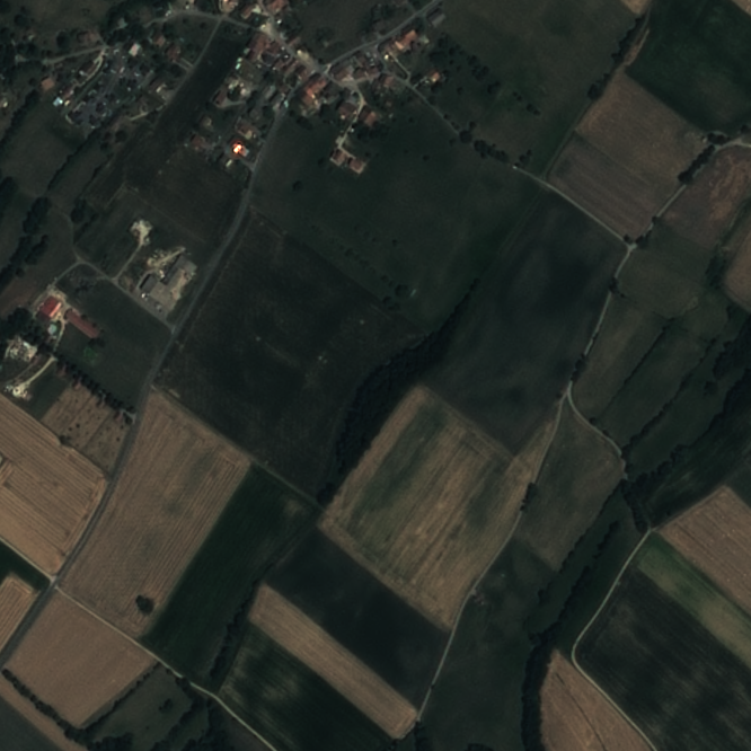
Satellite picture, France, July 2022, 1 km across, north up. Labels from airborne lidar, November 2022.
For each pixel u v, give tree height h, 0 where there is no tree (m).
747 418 0
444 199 0
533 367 0
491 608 0
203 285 0
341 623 0
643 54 0
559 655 0
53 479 0
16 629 0
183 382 0
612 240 0
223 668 14
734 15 0
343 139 0
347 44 0
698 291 0
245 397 0
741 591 0
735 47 0
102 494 0
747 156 0
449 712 0
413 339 0
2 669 0
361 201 0
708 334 0
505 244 0
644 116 0
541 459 0
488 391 0
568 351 0
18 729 0
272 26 0
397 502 0
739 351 13
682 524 0
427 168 0
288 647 0
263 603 0
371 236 0
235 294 0
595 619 0
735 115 0
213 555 0
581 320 0
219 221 0
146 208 0
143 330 0
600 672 0
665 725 0
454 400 0
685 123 0
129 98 0
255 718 0
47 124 0
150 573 0
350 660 0
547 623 0
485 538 0
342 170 0
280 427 0
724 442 0
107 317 0
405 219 0
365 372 0
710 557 0
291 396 0
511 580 0
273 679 0
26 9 12
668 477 16
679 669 0
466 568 0
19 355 0
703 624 0
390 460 0
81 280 0
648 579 0
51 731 0
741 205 0
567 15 0
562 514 0
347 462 21
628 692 0
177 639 0
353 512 0
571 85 0
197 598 0
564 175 0
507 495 0
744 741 0
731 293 0
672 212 0
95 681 0
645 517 13
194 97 0
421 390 0
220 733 16
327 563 0
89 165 0
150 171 0
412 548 0
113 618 0
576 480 0
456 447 0
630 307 0
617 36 0
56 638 0
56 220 0
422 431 0
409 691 0
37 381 0
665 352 0
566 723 0
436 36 0
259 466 0
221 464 0
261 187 0
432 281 0
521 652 0
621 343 0
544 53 0
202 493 0
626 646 0
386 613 0
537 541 0
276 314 0
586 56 0
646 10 0
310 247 0
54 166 0
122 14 11
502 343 0
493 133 0
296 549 0
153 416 0
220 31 0
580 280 0
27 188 0
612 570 0
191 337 0
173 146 0
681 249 0
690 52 0
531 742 23
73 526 0
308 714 0
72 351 0
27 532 0
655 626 0
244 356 0
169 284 0
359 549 0
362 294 0
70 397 0
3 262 0
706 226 0
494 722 0
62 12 0
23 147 0
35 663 0
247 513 0
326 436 0
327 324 0
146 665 0
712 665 0
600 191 0
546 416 0
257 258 0
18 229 0
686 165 0
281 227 0
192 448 0
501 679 0
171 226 0
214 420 0
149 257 0
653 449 0
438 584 0
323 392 0
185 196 0
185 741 0
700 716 0
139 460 0
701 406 0
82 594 0
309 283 0
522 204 0
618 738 0
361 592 0
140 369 0
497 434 0
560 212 0
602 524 0
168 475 0
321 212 0
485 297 0
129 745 11
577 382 10
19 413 0
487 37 0
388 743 0
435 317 0
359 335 0
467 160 0
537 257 0
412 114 0
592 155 0
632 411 0
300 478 0
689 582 0
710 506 0
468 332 0
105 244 0
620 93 0
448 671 0
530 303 0
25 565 0
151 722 0
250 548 0
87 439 0
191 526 0
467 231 0
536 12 0
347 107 0
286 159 0
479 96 0
